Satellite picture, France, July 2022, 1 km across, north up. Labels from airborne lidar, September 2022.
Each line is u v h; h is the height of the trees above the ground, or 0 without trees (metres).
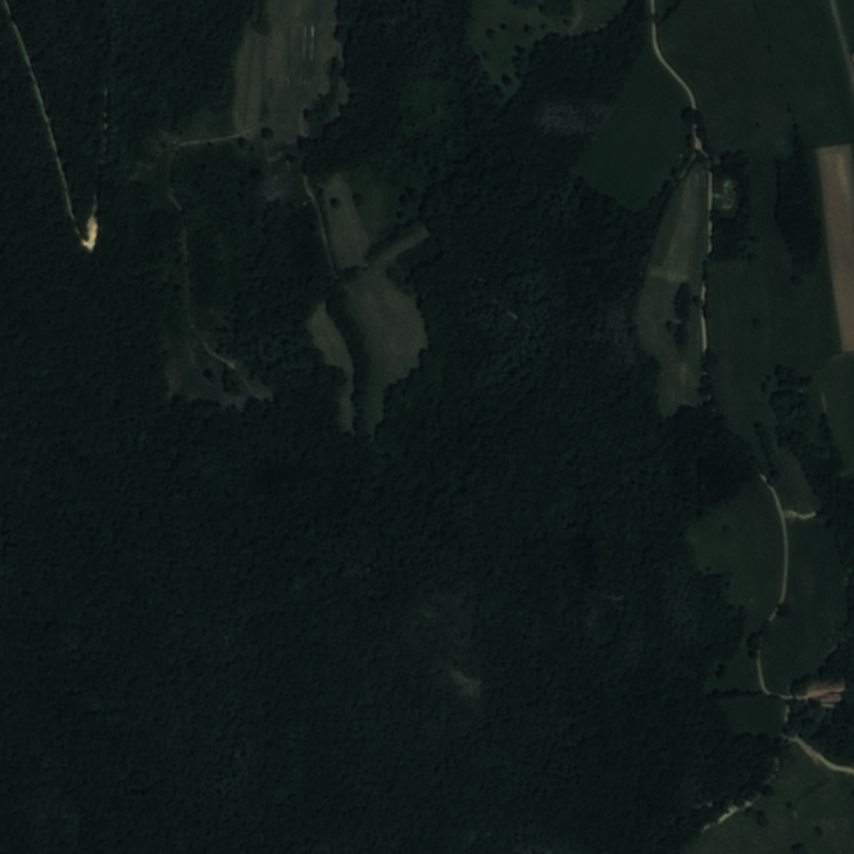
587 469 20
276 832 22
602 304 20
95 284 19
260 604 16
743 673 0
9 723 13
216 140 0
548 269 21
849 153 0
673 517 16
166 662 14
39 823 11
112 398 18
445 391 18
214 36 16
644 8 14
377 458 20
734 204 0
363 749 13
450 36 19
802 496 0
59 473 16
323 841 18
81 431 18
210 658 19
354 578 21
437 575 10
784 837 0
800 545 0
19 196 21
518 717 16
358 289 0
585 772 15
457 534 17
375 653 7
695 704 19
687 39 0
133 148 12
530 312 19
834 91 0
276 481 20
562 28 0
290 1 0
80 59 17
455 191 24
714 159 10
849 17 0
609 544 12
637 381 13
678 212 0
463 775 13
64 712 25
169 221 11
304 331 16
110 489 16
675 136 0
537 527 13
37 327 16
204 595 18
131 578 23
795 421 16
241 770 18
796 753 0
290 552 26
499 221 19
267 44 0
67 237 22
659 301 0
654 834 15
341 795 16
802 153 12
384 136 18
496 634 17
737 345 0
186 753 14
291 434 20
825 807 0
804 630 0
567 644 20
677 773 18
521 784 13
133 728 16
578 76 20
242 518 32
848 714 22
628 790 16
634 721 24
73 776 23
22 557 24
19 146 19
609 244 23
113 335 16
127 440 16
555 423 15
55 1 14
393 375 0
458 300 16
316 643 13
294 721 19
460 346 17
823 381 0
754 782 16
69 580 20
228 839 17
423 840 12
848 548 9
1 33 19
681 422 24
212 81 17
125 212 18
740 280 0
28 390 18
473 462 15
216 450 21
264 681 14
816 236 20
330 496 19
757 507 0
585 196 6
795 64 0
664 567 16
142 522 29
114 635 22
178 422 20
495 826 7
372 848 11
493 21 0
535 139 19
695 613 11
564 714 16
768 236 0
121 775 18
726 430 17
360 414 15
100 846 21
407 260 5
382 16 24
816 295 0
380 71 21
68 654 23
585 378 14
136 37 15
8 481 18
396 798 11
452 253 19
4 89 15
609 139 0
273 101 0
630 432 9
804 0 0
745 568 0
